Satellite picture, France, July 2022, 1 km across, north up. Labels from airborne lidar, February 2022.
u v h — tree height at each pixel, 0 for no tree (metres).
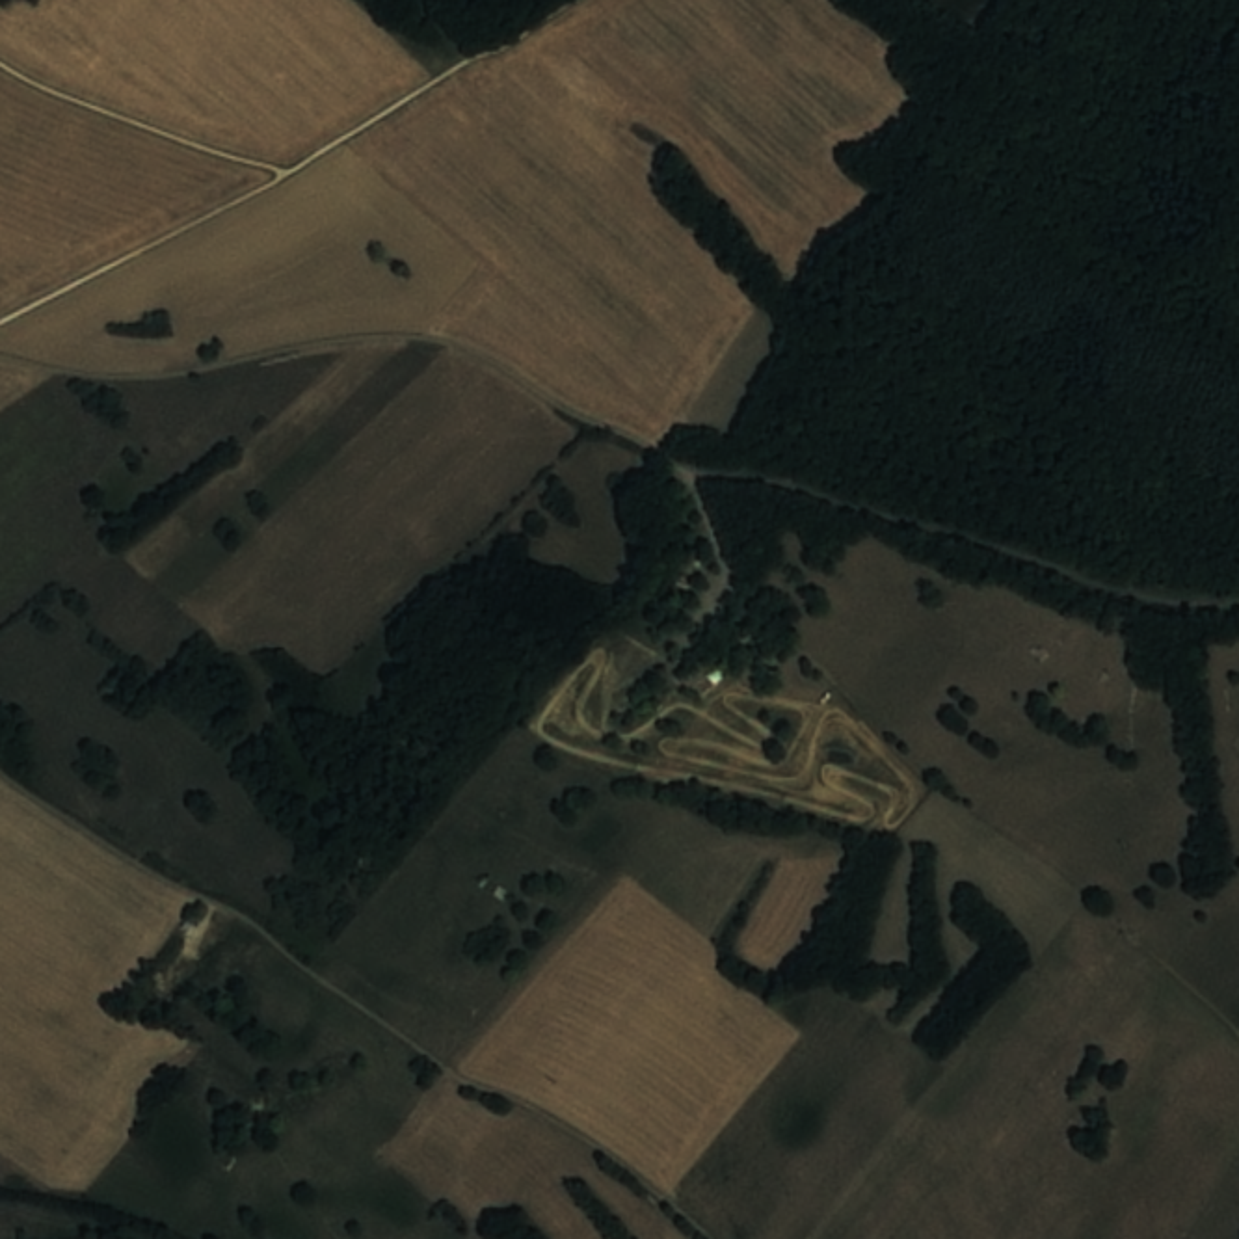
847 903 14
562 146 0
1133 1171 0
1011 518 23
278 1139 10
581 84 0
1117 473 15
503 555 12
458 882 0
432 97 0
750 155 0
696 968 0
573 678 0
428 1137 0
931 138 20
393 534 0
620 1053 0
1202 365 16
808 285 13
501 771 0
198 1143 0
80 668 0
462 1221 7
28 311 0
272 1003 0
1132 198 18
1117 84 13
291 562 0
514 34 20
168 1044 0
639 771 0
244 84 0
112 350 0
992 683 0
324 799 0
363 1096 0
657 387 0
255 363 0
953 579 20
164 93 0
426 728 6
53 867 0
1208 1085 0
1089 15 18
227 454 11
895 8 17
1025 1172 0
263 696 0
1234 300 15
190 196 0
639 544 18
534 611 17
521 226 0
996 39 20
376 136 0
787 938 0
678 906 0
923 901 11
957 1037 17
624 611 14
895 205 20
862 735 0
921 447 16
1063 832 0
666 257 0
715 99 0
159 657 0
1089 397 21
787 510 14
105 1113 0
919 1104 0
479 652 19
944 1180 0
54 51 0
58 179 0
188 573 0
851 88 0
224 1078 0
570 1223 0
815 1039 0
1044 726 16
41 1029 0
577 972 0
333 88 0
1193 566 17
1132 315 14
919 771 0
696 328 0
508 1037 0
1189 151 19
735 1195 0
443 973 0
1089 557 13
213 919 0
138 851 0
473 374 0
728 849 0
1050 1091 0
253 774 14
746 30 0
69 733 0
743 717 0
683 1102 0
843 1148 0
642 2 0
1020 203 17
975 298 12
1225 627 17
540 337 0
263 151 0
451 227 0
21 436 0
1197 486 11
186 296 0
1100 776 0
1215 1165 0
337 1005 0
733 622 17
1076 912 0
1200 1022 0
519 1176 0
